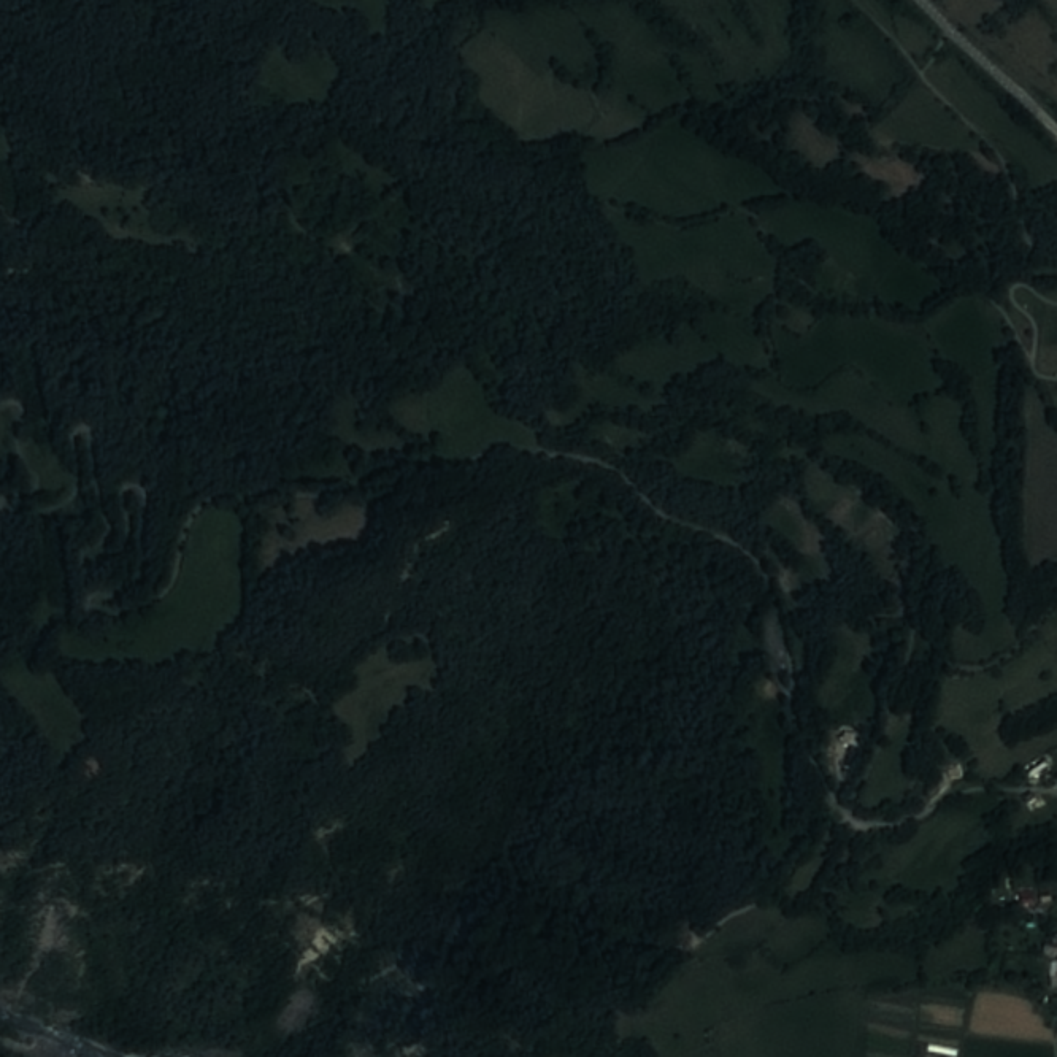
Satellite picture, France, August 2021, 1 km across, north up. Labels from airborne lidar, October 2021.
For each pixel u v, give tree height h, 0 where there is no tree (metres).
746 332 0
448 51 18
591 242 8
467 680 17
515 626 14
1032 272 10
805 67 9
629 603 21
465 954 27
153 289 14
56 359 20
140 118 17
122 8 21
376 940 13
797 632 11
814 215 0
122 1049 11
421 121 21
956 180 14
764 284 0
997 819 11
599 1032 7
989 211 20
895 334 0
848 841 10
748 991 0
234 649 9
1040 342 0
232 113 18
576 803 22
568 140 17
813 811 14
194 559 0
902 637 13
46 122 19
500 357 7
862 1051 0
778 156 14
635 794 16
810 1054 0
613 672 14
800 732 14
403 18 12
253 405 21
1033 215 12
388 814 11
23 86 22
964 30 8
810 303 11
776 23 0
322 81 0
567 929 25
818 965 0
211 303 9
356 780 14
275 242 11
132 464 17
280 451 18
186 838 20
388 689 0
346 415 0
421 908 19
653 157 0
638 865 24
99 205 0
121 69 17
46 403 16
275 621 15
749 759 12
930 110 0
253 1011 11
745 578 20
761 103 21
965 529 0
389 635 17
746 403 7
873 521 0
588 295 12
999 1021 0
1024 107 7
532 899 24
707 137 17
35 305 21
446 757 17
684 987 0
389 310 10
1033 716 15
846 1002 0
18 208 11
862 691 0
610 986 15
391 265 17
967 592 13
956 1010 0
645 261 0
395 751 17
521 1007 21
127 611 17
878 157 7
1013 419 15
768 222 0
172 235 7
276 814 15
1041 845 15
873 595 20
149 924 16
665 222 7
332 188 6
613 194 0
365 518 0
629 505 16
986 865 18
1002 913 17
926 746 13
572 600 19
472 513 15
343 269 16
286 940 7
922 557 14
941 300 13
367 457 22
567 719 22
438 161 23
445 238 14
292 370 18
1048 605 14
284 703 10
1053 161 0
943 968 0
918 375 0
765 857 18
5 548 17
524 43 0
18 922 8
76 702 10
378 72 21
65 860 13
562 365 10
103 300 19
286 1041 10
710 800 17
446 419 0
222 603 0
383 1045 8
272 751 16
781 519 0
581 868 12
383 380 23
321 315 12
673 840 19
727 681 19
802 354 0
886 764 0
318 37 19
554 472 16
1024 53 0
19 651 6
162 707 16
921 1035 0
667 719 20
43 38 21
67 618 8
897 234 22
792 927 0
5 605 16
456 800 16
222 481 20
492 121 14
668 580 10
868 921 0
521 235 16
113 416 16
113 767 13
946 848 0
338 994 13
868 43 0
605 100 0
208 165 18
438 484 22
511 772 16
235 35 16
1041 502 0
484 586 17
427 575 24
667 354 0
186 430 24
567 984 21
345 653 15
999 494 11
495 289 9
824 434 16
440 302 17
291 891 10
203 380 17
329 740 15
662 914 18
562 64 9
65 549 19
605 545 15
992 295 14
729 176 0
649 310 14
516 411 17
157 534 17
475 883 22
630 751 21
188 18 18
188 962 11
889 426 0
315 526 0
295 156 12
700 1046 0
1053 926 10
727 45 0
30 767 21
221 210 18
